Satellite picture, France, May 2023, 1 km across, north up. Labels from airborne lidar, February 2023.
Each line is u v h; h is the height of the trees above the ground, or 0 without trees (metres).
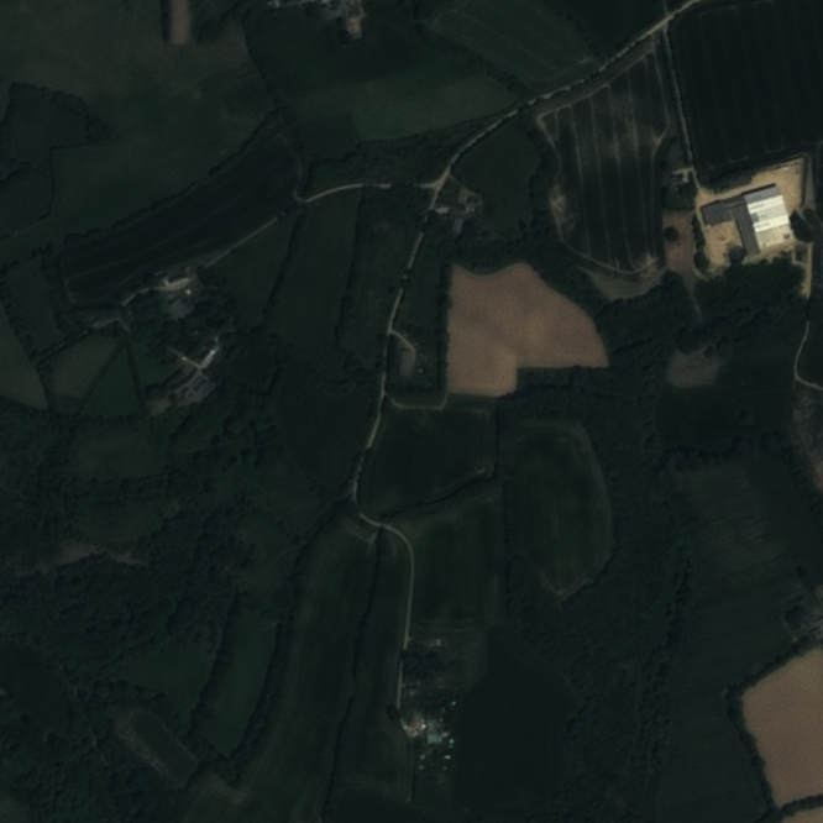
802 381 0
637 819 7
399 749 0
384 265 0
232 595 7
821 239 0
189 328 9
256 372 0
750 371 0
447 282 12
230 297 8
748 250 0
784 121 0
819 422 0
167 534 18
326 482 0
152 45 0
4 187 11
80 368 0
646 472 21
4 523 14
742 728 11
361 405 0
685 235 0
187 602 18
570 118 0
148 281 13
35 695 0
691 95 0
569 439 0
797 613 22
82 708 8
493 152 0
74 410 0
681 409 0
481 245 9
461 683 0
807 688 0
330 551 0
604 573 12
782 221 0
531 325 0
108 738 14
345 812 0
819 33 0
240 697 0
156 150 0
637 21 0
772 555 0
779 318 7
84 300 0
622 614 20
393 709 11
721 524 0
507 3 0
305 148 11
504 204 0
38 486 7
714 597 0
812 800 10
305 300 0
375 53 0
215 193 0
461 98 0
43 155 0
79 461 0
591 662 22
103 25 0
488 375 0
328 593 0
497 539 0
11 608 20
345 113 0
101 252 0
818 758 0
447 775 0
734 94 0
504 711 0
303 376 10
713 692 0
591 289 6
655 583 18
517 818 0
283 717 0
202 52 0
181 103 0
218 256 0
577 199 0
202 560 20
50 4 0
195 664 0
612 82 0
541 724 0
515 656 0
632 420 22
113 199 0
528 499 0
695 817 0
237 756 11
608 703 21
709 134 0
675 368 0
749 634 0
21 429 0
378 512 0
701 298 0
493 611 0
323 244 0
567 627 21
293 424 0
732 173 8
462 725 0
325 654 0
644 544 20
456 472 0
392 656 0
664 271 0
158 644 9
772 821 14
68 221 0
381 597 13
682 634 14
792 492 0
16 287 0
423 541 0
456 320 0
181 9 0
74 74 0
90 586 19
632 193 0
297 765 0
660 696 10
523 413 20
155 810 21
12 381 0
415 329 7
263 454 18
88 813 13
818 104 0
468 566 0
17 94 13
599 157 0
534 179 11
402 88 0
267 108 0
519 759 0
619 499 14
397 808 0
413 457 0
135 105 0
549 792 0
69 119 0
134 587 17
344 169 8
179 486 20
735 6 0
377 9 0
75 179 0
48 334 0
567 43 0
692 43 0
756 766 14
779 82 0
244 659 0
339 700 0
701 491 0
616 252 0
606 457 14
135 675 0
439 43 9
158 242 0
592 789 21
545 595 15
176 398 8
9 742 12
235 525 7
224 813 0
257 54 11
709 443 0
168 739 0
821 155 0
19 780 16
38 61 0
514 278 0
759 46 0
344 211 0
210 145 0
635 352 15
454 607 0
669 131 0
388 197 14
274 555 0
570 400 21
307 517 0
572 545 0
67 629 18
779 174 0
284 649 14
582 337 0
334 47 0
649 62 0
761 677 6
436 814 0
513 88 13
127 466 0
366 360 0
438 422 0
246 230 0
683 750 0
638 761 9
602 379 20
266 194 0
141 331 21
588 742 18
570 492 0
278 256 0
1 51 0
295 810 0
